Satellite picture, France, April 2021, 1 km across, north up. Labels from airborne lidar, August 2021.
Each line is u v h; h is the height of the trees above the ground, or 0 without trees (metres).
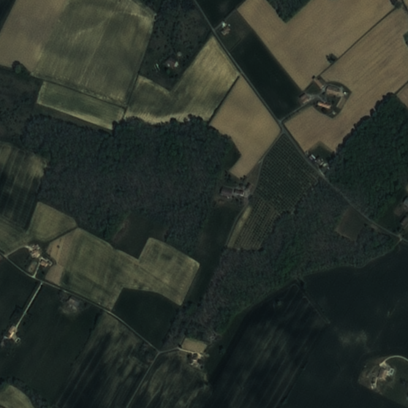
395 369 0
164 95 0
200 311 13
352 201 16
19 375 0
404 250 0
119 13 0
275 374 0
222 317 21
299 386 0
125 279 0
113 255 0
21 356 0
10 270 0
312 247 16
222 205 0
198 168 19
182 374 0
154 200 15
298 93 0
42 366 0
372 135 20
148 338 0
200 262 0
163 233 0
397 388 0
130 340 0
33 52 0
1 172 0
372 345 0
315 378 0
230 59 0
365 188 23
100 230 15
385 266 0
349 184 20
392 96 15
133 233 0
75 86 0
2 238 0
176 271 0
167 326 0
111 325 0
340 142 0
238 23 0
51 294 0
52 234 0
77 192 16
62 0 0
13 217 0
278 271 18
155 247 0
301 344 0
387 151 26
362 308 0
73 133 18
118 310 0
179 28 7
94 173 19
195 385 0
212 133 18
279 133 0
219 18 0
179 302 0
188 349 0
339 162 22
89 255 0
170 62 0
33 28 0
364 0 0
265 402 0
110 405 0
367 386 0
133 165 20
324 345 0
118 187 12
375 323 0
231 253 19
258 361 0
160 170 18
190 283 0
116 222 18
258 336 0
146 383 0
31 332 0
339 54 0
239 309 20
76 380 0
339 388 0
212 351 0
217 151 18
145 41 0
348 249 17
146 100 0
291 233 19
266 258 12
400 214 0
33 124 18
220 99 0
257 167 0
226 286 18
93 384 0
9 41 0
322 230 19
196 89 0
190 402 0
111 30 0
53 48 0
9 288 0
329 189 16
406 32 0
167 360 0
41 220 0
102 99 0
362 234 12
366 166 21
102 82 0
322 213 17
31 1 0
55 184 19
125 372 0
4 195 0
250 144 0
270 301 0
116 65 0
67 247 0
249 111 0
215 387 0
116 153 19
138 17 0
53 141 21
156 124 0
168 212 10
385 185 25
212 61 0
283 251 19
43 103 0
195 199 19
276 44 0
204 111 0
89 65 0
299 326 0
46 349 0
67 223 0
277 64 0
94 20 0
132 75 0
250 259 21
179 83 0
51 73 0
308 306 0
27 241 0
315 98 0
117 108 0
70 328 0
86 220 16
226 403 0
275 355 0
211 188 17
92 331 11
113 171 18
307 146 0
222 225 0
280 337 0
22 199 0
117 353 0
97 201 17
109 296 0
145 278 0
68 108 0
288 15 21
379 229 0
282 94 0
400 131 19
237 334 0
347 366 0
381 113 22
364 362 0
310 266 18
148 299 0
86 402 0
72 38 0
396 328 0
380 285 0
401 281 0
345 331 0
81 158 17
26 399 0
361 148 23
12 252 0
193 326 13
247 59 0
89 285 0
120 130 21
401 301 0
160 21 9
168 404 0
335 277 0
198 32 0
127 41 0
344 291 0
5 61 0
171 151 24
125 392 0
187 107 0
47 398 0
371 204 19
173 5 7
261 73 0
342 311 0
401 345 0
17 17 0
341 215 16
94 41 0
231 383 0
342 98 0
